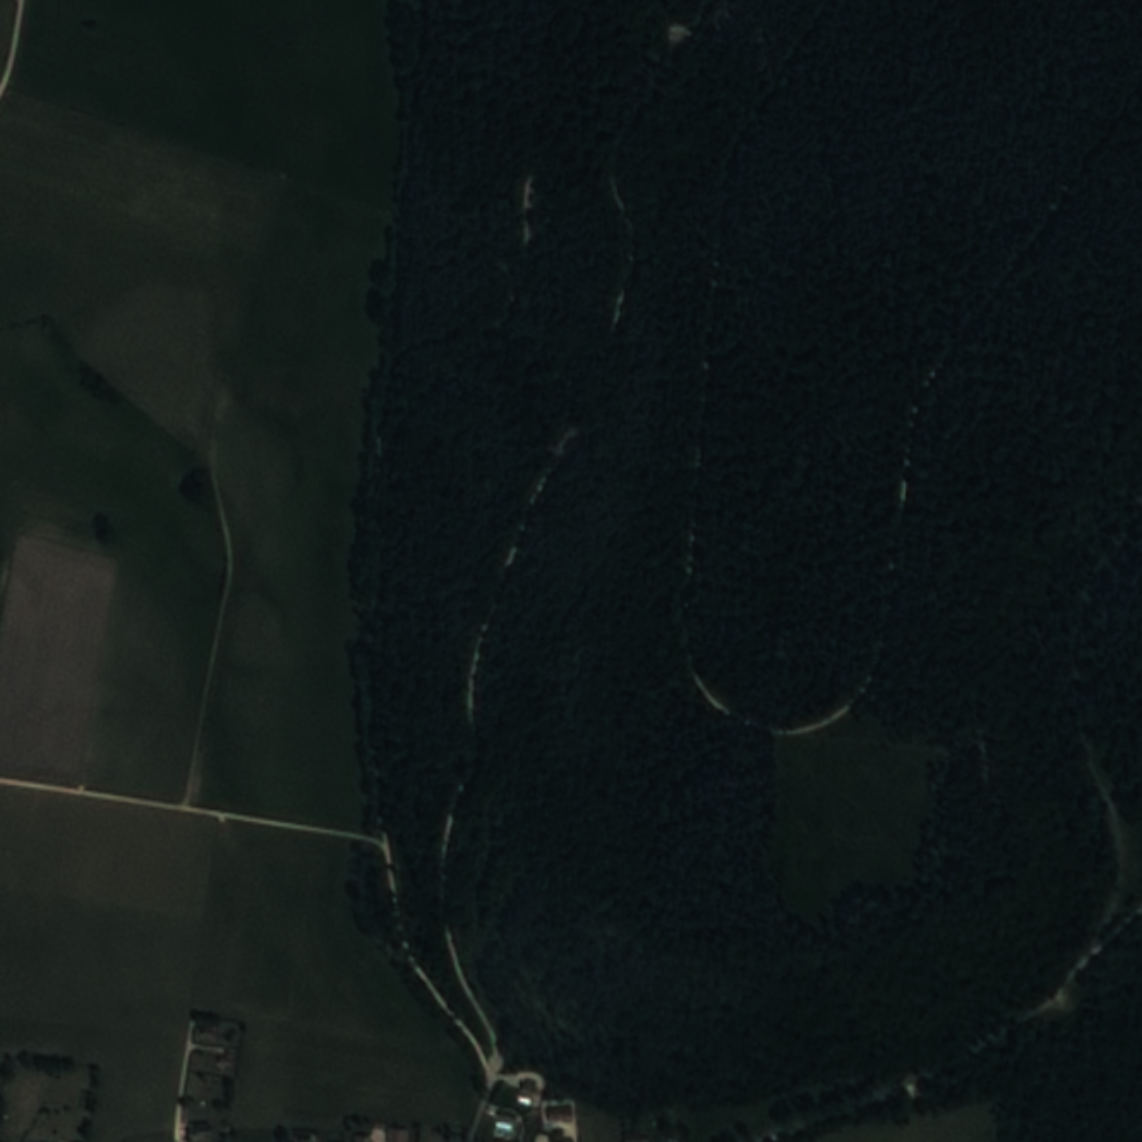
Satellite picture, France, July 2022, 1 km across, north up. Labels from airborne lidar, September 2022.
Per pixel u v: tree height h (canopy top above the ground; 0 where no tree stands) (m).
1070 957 13
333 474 0
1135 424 17
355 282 0
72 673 0
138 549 0
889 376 18
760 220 24
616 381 15
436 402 22
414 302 24
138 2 0
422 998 23
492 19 23
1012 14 21
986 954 20
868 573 18
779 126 28
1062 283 20
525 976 10
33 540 0
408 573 23
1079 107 20
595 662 12
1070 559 28
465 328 22
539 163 13
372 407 15
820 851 0
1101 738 25
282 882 0
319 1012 0
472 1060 16
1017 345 23
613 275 17
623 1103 22
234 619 0
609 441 20
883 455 12
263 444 0
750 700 14
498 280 15
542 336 17
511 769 20
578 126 21
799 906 0
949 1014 18
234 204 0
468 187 25
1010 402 15
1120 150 24
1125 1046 16
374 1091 0
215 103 0
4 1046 0
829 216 19
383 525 21
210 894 0
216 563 0
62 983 0
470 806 15
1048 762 18
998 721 19
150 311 0
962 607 21
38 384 0
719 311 11
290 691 0
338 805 0
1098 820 24
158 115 0
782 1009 17
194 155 0
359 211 0
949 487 22
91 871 0
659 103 22
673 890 24
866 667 14
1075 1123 15
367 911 23
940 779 9
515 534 8
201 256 0
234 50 0
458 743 20
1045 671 19
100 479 0
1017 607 21
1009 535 20
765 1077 21
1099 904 16
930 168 8
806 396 17
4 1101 9
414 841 18
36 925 0
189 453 0
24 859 0
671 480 19
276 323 0
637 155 16
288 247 0
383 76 0
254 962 0
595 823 18
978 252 17
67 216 0
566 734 14
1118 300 21
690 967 17
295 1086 0
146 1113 0
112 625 0
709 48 22
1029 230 22
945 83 26
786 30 22
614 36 22
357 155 0
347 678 0
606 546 14
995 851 20
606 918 12
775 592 13
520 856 13
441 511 17
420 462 21
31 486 0
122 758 0
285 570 0
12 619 0
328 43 0
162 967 0
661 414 17
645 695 17
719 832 28
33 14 0
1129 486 19
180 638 0
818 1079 24
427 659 18
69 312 0
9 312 0
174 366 0
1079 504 23
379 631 23
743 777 25
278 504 0
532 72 25
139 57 0
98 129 0
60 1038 0
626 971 18
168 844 0
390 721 20
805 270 20
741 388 16
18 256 0
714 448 14
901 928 17
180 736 0
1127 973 15
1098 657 21
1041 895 21
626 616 18
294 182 0
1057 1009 0
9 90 0
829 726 0
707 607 18
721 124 21
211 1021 11
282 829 0
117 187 0
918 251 22
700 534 13
